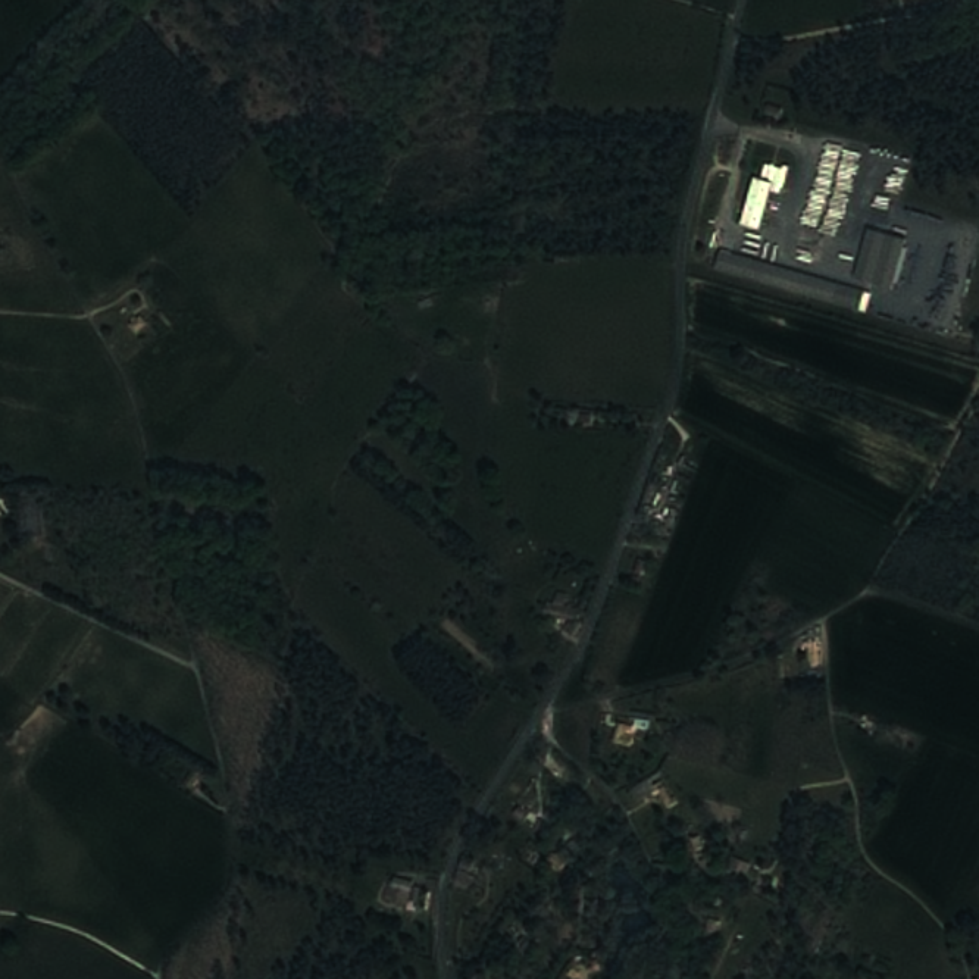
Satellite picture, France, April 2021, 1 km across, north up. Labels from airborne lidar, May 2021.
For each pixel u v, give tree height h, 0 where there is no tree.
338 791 18
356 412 0
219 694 16
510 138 8
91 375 0
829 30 0
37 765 0
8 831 0
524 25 11
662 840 13
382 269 10
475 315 0
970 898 0
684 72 0
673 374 0
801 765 0
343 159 26
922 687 0
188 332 0
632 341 0
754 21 0
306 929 0
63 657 0
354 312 0
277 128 14
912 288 0
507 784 0
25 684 0
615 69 0
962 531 14
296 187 20
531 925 11
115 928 0
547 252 6
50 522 10
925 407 0
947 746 0
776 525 0
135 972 0
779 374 7
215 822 0
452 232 23
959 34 18
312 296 0
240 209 0
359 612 0
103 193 0
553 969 12
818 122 0
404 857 12
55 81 20
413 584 0
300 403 0
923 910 0
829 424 0
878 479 0
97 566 10
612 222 15
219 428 0
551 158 10
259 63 25
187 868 0
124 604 12
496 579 6
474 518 0
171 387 0
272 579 16
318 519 0
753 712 6
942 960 0
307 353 0
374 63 18
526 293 0
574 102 0
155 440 0
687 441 0
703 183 0
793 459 0
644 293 0
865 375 0
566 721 0
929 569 18
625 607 0
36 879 0
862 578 0
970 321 0
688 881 19
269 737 15
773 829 0
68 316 0
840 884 11
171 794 0
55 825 0
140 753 15
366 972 17
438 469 19
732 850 6
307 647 14
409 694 0
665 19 0
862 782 0
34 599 0
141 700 0
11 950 15
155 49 16
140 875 0
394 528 0
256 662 19
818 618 12
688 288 0
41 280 0
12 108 17
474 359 0
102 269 0
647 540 15
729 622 8
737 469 0
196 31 0
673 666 0
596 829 22
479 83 16
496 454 0
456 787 16
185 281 0
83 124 17
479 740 0
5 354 0
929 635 0
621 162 16
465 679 16
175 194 13
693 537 0
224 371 0
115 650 0
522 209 9
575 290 0
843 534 0
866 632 0
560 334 0
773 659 11
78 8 13
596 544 0
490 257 8
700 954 15
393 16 9
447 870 0
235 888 15
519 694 8
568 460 0
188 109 14
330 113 29
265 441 0
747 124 0
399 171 5
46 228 9
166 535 22
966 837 0
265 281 0
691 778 0
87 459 0
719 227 0
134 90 15
